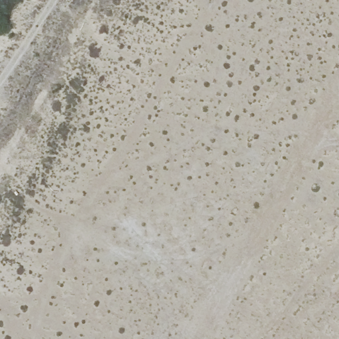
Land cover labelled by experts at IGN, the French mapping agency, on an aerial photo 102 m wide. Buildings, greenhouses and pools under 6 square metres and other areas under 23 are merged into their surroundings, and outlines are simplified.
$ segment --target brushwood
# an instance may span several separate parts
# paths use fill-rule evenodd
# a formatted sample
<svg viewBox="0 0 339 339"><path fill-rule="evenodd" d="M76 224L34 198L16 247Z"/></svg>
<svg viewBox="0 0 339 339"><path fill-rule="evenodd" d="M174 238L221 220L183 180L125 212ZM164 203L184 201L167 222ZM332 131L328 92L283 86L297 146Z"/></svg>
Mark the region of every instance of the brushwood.
<svg viewBox="0 0 339 339"><path fill-rule="evenodd" d="M0 0L0 36L5 34L13 28L13 9L23 3L23 0Z"/></svg>

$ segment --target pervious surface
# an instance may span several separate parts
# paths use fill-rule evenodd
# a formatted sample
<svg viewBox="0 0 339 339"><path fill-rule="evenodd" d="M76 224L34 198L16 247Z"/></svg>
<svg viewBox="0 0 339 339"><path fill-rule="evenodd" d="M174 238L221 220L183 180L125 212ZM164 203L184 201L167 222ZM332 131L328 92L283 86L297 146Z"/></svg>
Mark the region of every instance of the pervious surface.
<svg viewBox="0 0 339 339"><path fill-rule="evenodd" d="M7 107L9 103L4 86L8 85L9 75L15 72L16 66L23 60L36 34L42 32L41 26L32 26L21 40L13 40L5 34L0 36L0 107Z"/></svg>
<svg viewBox="0 0 339 339"><path fill-rule="evenodd" d="M44 25L46 17L56 9L58 0L48 0L34 19L34 23L40 25Z"/></svg>

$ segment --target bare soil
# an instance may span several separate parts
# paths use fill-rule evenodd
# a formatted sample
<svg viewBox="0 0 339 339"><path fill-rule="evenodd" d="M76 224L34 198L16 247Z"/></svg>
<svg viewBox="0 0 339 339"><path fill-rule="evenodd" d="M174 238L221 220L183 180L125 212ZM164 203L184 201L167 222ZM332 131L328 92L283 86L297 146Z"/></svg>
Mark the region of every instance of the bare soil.
<svg viewBox="0 0 339 339"><path fill-rule="evenodd" d="M7 107L0 107L0 339L339 339L339 0L58 0L56 9L46 17L44 25L40 25L34 23L34 19L48 0L23 0L23 3L13 9L13 28L5 34L13 40L21 40L32 26L41 26L42 32L36 34L23 60L16 66L15 72L9 75L8 85L4 86L9 103Z"/></svg>

